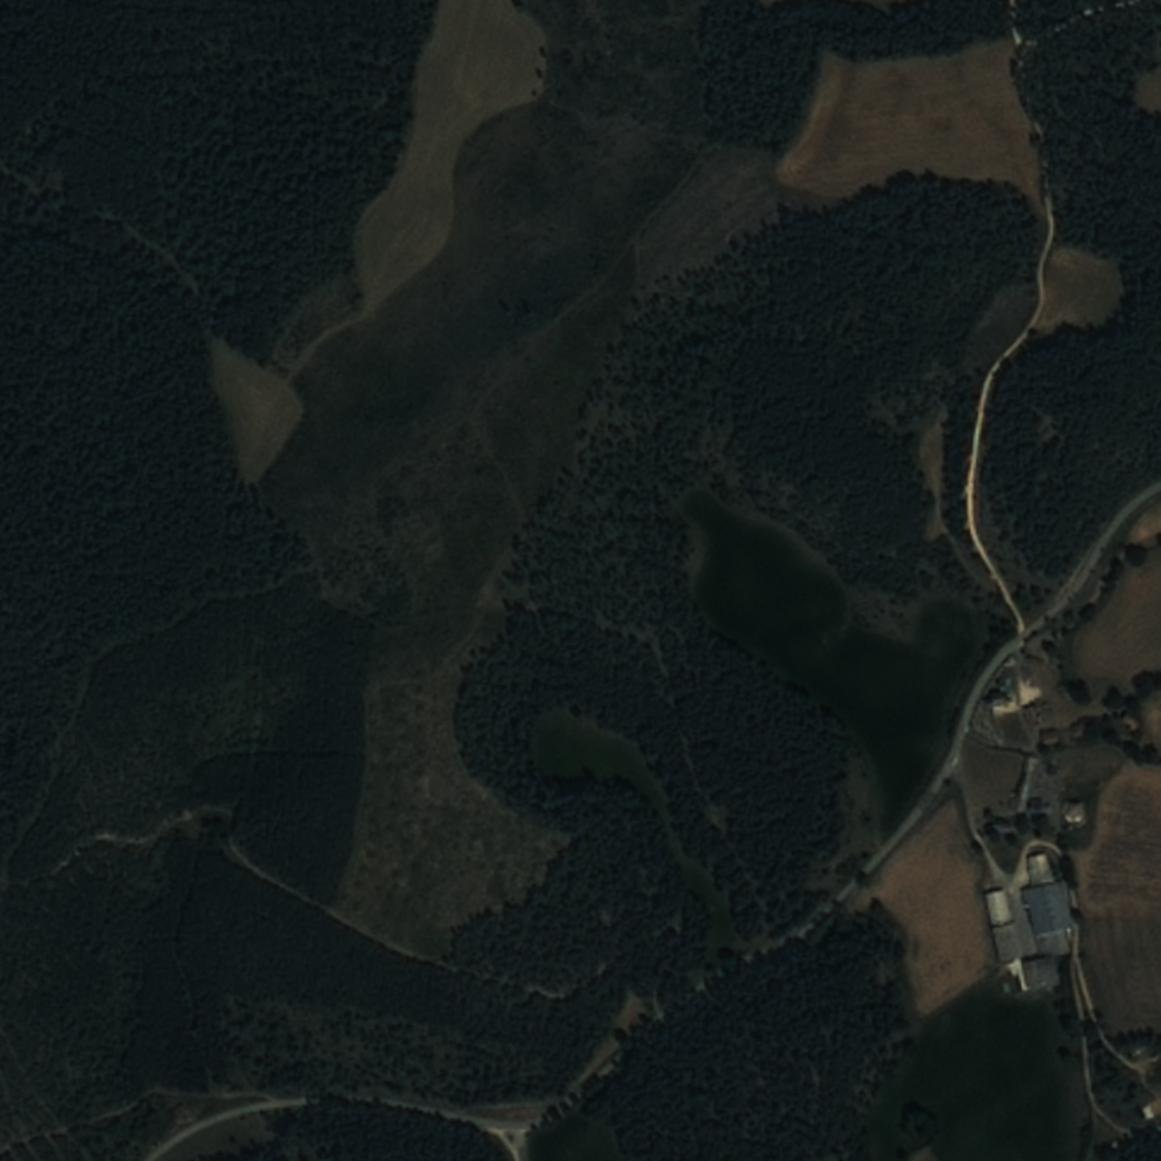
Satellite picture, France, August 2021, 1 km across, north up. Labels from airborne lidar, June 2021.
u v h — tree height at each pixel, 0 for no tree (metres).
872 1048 13
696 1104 13
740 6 13
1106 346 15
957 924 0
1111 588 9
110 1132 9
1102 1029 9
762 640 0
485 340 0
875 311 7
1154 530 0
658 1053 15
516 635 16
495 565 0
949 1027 0
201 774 11
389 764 0
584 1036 14
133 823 8
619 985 8
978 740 0
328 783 8
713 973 10
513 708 19
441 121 0
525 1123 0
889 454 10
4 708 11
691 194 0
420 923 0
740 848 14
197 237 7
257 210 6
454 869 0
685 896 17
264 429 0
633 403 15
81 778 7
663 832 16
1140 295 16
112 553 14
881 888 0
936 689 0
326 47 18
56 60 16
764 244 11
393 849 0
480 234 0
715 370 17
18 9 13
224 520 17
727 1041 14
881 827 0
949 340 6
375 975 7
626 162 0
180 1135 0
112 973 7
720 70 14
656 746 15
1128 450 8
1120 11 17
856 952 13
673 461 18
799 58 16
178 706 8
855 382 13
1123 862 0
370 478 0
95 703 7
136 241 8
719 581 0
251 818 8
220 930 7
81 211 11
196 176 8
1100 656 0
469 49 0
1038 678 0
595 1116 11
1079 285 0
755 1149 16
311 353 0
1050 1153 0
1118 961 0
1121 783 0
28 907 7
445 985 8
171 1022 11
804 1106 13
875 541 9
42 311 18
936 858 0
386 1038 8
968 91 0
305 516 0
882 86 0
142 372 12
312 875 8
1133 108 18
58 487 18
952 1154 0
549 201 0
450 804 0
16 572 14
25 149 14
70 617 13
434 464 0
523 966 12
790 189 0
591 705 17
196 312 9
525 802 14
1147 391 13
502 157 0
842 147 0
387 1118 13
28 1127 9
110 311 15
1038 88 17
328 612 8
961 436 9
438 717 0
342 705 8
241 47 15
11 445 17
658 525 20
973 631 0
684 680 15
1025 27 15
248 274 10
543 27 0
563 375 0
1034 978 0
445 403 0
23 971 8
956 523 8
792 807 17
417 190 0
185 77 13
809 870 12
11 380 22
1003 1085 0
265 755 11
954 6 17
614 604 12
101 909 8
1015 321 0
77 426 15
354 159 12
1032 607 7
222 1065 10
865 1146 10
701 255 0
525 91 0
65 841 6
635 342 16
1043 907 0
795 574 0
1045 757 11
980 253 12
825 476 9
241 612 6
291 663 7
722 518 0
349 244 16
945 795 0
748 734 15
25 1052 9
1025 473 6
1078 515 8
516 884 0
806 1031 12
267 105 11
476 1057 9
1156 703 0
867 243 9
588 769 0
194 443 17
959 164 0
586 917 11
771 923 11
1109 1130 0
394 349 0
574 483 14
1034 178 0
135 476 15
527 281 0
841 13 14
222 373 0
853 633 0
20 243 17
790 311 10
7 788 14
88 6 16
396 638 0
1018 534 7
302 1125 17
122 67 12
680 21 0
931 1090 0
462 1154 11
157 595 16
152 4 13
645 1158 17
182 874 14
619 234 0
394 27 12
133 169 11
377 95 12
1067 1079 0
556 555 16
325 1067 10
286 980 8
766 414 10
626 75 0
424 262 0
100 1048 8
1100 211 11
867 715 0
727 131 13
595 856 16
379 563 6
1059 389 10
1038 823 12
